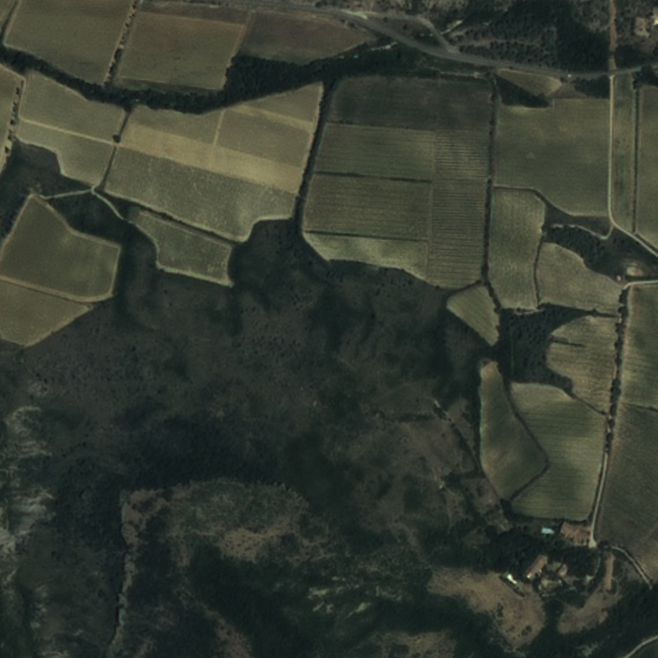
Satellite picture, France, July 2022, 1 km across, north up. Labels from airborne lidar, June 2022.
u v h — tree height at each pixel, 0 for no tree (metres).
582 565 12
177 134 0
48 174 0
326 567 6
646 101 0
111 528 6
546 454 0
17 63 12
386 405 0
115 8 0
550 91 0
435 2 0
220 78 0
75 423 0
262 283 0
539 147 0
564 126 0
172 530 0
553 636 8
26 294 0
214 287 0
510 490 0
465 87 0
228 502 0
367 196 0
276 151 0
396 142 0
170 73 0
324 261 8
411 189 0
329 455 0
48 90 0
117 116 0
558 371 0
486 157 0
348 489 0
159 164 0
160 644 5
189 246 0
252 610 11
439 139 0
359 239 0
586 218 0
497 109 0
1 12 0
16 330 0
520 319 13
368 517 0
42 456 0
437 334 10
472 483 0
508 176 0
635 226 0
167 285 0
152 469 7
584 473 0
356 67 13
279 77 13
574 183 0
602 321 0
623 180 0
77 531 6
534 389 0
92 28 0
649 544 0
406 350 0
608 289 0
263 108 0
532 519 13
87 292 0
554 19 10
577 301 0
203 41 0
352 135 0
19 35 0
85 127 0
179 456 7
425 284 0
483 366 0
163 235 0
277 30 0
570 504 0
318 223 0
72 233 0
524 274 0
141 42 0
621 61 12
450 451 0
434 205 0
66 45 0
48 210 0
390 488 0
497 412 0
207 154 0
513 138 0
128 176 0
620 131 0
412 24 0
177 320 0
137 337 6
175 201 0
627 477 0
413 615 6
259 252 0
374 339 0
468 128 0
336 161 0
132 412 5
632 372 0
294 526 0
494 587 0
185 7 0
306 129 0
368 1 0
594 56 15
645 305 0
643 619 13
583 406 0
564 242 12
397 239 0
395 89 0
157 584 7
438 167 0
